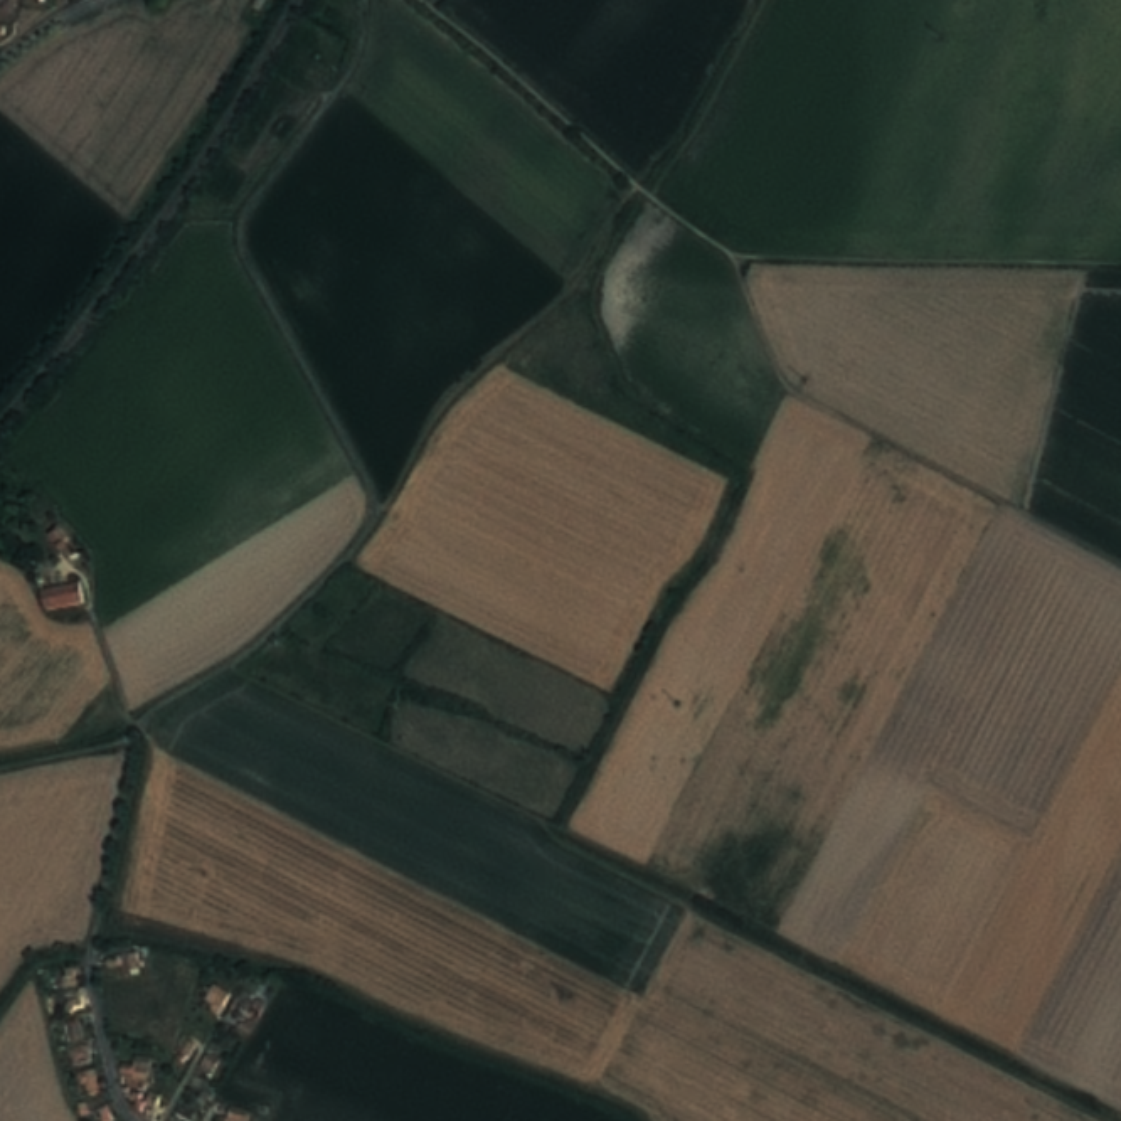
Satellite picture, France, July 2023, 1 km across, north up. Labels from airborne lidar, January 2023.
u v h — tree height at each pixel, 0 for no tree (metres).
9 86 0
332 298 0
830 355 0
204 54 0
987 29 0
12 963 0
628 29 0
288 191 0
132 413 0
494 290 0
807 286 0
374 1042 0
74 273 0
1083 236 0
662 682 0
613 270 0
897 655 0
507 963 0
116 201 0
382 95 0
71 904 0
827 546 0
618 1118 0
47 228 0
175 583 0
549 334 0
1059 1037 0
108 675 0
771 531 0
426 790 0
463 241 0
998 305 0
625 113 0
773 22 0
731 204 0
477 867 0
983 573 0
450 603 0
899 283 0
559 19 0
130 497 0
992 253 0
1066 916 0
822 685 0
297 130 0
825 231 0
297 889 0
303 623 0
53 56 0
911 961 0
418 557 0
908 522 0
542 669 0
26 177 0
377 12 0
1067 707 0
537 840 0
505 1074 0
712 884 0
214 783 0
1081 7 0
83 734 0
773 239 0
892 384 0
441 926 0
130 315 0
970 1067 0
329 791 0
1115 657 0
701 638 0
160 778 0
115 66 0
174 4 0
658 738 0
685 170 0
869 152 0
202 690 0
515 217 0
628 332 0
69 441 0
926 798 0
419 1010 0
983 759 0
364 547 0
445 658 0
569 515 0
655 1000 0
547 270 0
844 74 0
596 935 0
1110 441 0
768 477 0
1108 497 0
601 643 0
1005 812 0
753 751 0
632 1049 0
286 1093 0
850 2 0
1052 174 0
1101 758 0
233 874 0
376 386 0
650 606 0
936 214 0
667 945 0
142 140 0
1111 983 0
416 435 0
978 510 0
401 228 0
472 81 0
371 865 0
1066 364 0
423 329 0
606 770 0
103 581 0
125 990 0
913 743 0
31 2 0
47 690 0
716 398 0
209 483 0
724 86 0
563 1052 0
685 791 0
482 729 0
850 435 0
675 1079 0
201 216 0
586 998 0
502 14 0
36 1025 0
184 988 0
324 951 0
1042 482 0
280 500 0
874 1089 0
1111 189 0
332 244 0
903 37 0
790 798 0
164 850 0
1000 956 0
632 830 0
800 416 0
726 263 0
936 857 0
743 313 0
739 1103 0
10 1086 0
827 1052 0
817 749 0
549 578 0
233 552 0
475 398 0
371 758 0
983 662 0
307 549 0
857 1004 0
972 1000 0
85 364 0
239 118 13
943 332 0
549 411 0
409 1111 0
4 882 0
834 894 0
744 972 0
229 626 0
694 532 0
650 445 0
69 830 0
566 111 0
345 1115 0
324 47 0
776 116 0
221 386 0
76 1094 0
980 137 0
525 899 0
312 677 0
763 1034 0
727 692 0
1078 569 0
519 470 0
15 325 0
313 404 0
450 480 0
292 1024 0
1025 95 0
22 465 0
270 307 0
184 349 0
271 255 0
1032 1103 0
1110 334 0
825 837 0
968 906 0
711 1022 0
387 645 0
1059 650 0
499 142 0
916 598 0
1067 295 0
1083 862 0
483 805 0
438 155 0
